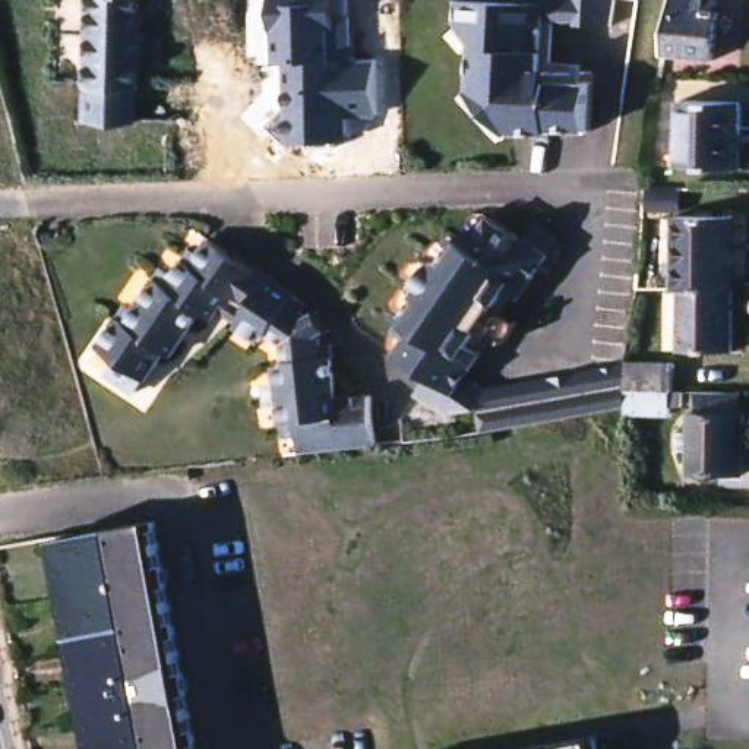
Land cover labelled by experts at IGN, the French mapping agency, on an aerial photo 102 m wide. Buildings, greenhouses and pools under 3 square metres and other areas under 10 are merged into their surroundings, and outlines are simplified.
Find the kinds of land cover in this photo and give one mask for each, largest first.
<instances>
[{"label":"herbaceous vegetation","instance_id":"1","mask_svg":"<svg viewBox=\"0 0 749 749\"><path fill-rule=\"evenodd\" d=\"M135 15L117 12L114 18H108L105 123L102 129H88L79 126V82L76 67L61 53V18H56V0H0V44L6 56V73L12 76L23 70V85L35 120L38 155L44 164L161 167V176L155 181H184L193 176L178 138V120H149L155 105L170 94L173 85L187 82L181 70L170 64V59L187 50V44L176 41L173 35L176 0H132ZM401 47L395 50V56L401 79L398 94L404 97L395 105L401 114L398 146L404 149L410 140H427L442 155V164L433 170L453 173L456 167H480L477 155L492 152L494 143H489L480 135V129L456 108L459 56L445 41L453 0H398ZM32 178L23 173L15 120L0 82V187H26ZM711 99H737L743 105V123H749V85H723L708 91ZM682 217H749V193L708 202L699 193L685 190L679 199ZM152 211H120L70 219L76 240L56 243L38 240L41 219L0 217V494L20 492L26 486L176 474L181 462L234 459L228 477L237 483L246 532L252 544V571L263 611L269 667L284 734L304 746L316 737L372 731L375 749H749V737L717 740L711 746L705 729H685L679 723L673 705L641 711L632 702V688L650 690L655 688V682H664V688H676L673 676H664V667L670 664V647L664 644V597L682 594L673 585V524L679 518L661 512L655 518H644L641 512L620 515L614 494L617 465L609 456L591 451L588 436L582 442H568V436L559 433L553 424H527L515 427L512 433L500 430L480 439L468 436L453 451L445 448V442L415 448L395 445L380 448L375 442L363 451L281 456L278 430L272 427L257 424V398H252V380L263 375L272 363L266 351L257 345L240 348L234 342L208 369H196L193 360L187 351L152 386L158 398L146 410H138L135 404L123 401L120 395H114L111 389H105L82 372L79 357L88 348L97 328L108 322V313H117L120 301V290L132 278V272L146 269H164L161 255L170 249V231L164 222H155L149 217ZM544 462L571 465L573 521L568 550H550V527H544L527 509V503L509 492V480L515 474L538 471ZM729 392V398H734V410L749 421V345L723 354L696 351V357H682L673 366L670 392ZM629 462H635V489L667 497L723 500L731 515L749 518V489H723L702 483L682 486L670 462V430L658 418H635L629 424ZM12 579L15 594L20 600L47 594L41 547L0 550V582ZM18 638L32 647L56 641L53 617L35 623L32 629H18ZM26 749H76L73 734H29L26 740Z\"/></svg>","mask_w":749,"mask_h":749},{"label":"building","instance_id":"2","mask_svg":"<svg viewBox=\"0 0 749 749\"><path fill-rule=\"evenodd\" d=\"M56 18H61V53L76 67L79 82V126L88 129H102L105 123L108 18H114L117 12L135 15L132 0H56ZM383 44L377 26V0H249L246 41V53L263 67L266 79L260 82V94L255 97L243 123L252 126V132L269 126L281 138V143L290 146V152L296 155H304L307 146H316L354 140L386 120L389 105L377 99V94L383 91V64L372 59L375 50ZM582 0H453L445 41L459 56L456 108L480 129V135L489 143H494L515 140L521 135H530L532 146L547 149L550 138H585L588 132L585 120L591 73L579 64L553 61V32L559 23L579 26ZM638 20L635 0H609L606 29L611 38H623V64H632V38ZM667 12L661 15V32L652 35L655 67H664L667 61H673V67L699 64L711 53L714 20L699 0H664ZM723 85L705 79L676 82L670 102L661 108V114L670 120L667 155L652 158L650 187H644V202L632 205V228L635 234L644 231V219L658 222V260L650 266L647 281L638 284V293H652L661 298V351L682 357H696V351L723 354L749 345V217H682L679 199L685 190L682 176L699 173L708 178H729L743 184L749 181V123H743V105L737 99H711L708 91ZM471 228H453L448 234L451 246L445 249L439 243L418 246L410 263L401 266L404 287L389 301L392 316L386 325V377L401 380L413 392L410 410L413 418L424 424H445L462 415L474 424L468 436L480 439L500 430L512 433L515 427L527 424H553L576 421L594 413H623L635 418H658L670 430V462L682 486L702 483L723 489H749V421L734 410V398H729V392H670L673 366L629 363L626 354L611 363L562 369L559 377L550 380H544L541 375L506 377L503 366L515 360L524 336L535 328L556 322L565 310V298L556 293V287L588 252V205H547L544 199H530L509 202L503 208L459 211ZM164 269H146L149 284L138 296V301H120L117 313H108V322L97 328L88 348L97 357H102L117 375L132 377L140 386H152L187 351L217 325L219 316L225 319L228 331L234 334V342L240 348L257 345L266 351L272 363L263 375L266 386L272 389V427L278 430L281 456L363 451L375 442L372 398L345 401L334 392L336 380L331 372V328H316L313 319L304 313L287 334H281L260 316H255L246 307V293L237 287L252 266L219 255L211 240H202V246L187 243L184 252L170 249L161 255ZM47 594L53 617L56 641L59 667L67 679V711L73 734L76 749H211L196 682L199 655L190 644L187 614L178 594L173 541L161 530L155 532V521H138L135 527L56 538V544L41 547Z\"/></svg>","mask_w":749,"mask_h":749},{"label":"impervious surface","instance_id":"3","mask_svg":"<svg viewBox=\"0 0 749 749\"><path fill-rule=\"evenodd\" d=\"M638 20L632 38V64H623V38H611L606 29L609 0H582L579 26L559 23L553 32V61L579 64L591 73L585 120L588 132L585 138H550L547 149L532 146L530 135H521L515 140V167H456L453 173L433 170H404L398 164V146L401 114L395 105L404 97L398 94L401 79L395 56V50L401 47L398 0H377V26L383 44L375 50L372 59L383 64V91L377 94V99L389 105L386 120L354 140L316 146L310 155L313 164H322V173L310 178H272L249 184L246 190H228L222 184L228 173L225 152L214 155L193 176L184 181H155L32 178L26 187H0V217L41 219H70L120 211H152L214 214L228 228L211 240L219 255L252 266L237 287L246 293V307L255 316H260L281 334H287L304 313L313 319L316 328H331V372L336 380L334 392L345 401L372 398L375 442L380 448L395 445V421L401 413L410 410L413 392L401 380L386 377V339L357 316V310L348 301H342V296L325 281V275H319L313 266H304L301 260L310 249H339V240L351 243L354 211L439 205L459 211L503 208L509 202L530 199H544L547 205H588V252L556 287V293L565 298V310L556 322L535 328L524 336L515 360L503 366L506 377L541 375L544 380H550L559 377L562 369L611 363L626 354L638 293V284L644 231L635 234L632 228V205L644 202V187L635 170L641 143L638 111L647 99L650 82L658 76L655 67L652 35L661 32V15L667 12L664 0H635ZM281 211L307 214V225L301 228V243L296 246V255L272 231L263 228L269 214ZM714 20L711 53L699 64L711 70L737 67V50L749 41V0H699ZM149 284L146 269L132 272V278L120 290V301H138V296ZM228 331L225 319L219 316L217 325L187 351L193 360ZM82 372L105 389H111L114 395H120L123 401L135 404L138 410H146L158 398L152 386H140L132 377L117 375L102 357H97L88 348L79 357ZM252 398H257V424L272 427V389L266 386L263 375L252 380ZM234 459L181 462L176 474L26 486L20 492L0 494V550L41 547L56 544V538L135 527L138 521H155V532L161 530L173 541L178 594L187 614L190 644L199 655L196 682L211 749H375L372 731L316 737L304 746L284 734L269 667L263 611L252 571V544L246 532L237 483L228 477ZM673 585L682 594L664 597V644L670 647V664L664 667V676H673L676 688H664V682H655V688L650 690L632 688V702L641 711L673 705L679 723L685 729H705L711 746L717 740L749 737V518L731 515L679 518L673 524ZM0 749H26V740L23 714L18 705V670L12 661V644L0 606Z\"/></svg>","mask_w":749,"mask_h":749},{"label":"brushwood","instance_id":"4","mask_svg":"<svg viewBox=\"0 0 749 749\"><path fill-rule=\"evenodd\" d=\"M249 0H176L173 35L176 41L187 44V50L170 59V64L181 70L187 82L199 79L193 53L196 44L234 47L246 41ZM737 67L711 70L699 64L673 67V61H667L664 67H655L658 76L650 82L647 99L638 111L641 143L635 170L644 187H650L652 158L667 155L670 120L661 114V108L670 102L676 82L705 79L723 85H749V41L737 50ZM0 82L15 120L23 173L32 178L155 181L161 176V167L44 164L38 155L35 120L23 85V70L12 76L6 73V56L0 44ZM398 164L404 170H433L442 164V155L427 140H410L404 149L398 146ZM480 167H515V140L494 143L492 152L477 155ZM685 190L699 193L708 202L749 193V181L743 184L729 178H708L699 173L682 176ZM453 228H471L459 211L439 205L354 211L351 243L339 240V249H310L301 260L304 266H313L319 275H325V281L342 296V301H348L357 310V316L386 339V325L392 316L389 301L404 287L401 266L410 263L418 246L439 243L445 249L451 246L448 234ZM149 217L155 222H164L170 231V249L184 252L187 243L202 246V240H211L228 228L214 214L152 211ZM307 225V214L281 211L269 214L263 228L272 231L296 255V246L301 243V228ZM38 240L56 243L76 240L70 219H41ZM658 222L644 219V231L638 284L647 281L650 266L658 260ZM629 363L673 366L682 357L661 351V298L652 293H638L626 354ZM234 334L228 331L193 360L196 369H208L234 342ZM474 424L462 415L445 424H424L413 418L410 410L401 413L395 421V445L415 448L445 442V448L453 451L468 436ZM635 418L623 413H594L576 421L553 424L559 433L568 436V442H582L588 436L591 451L609 456L617 465L614 494L620 515L641 512L644 518H655L661 512L679 518L731 515L723 500L667 497L635 489V462H629V424ZM509 492L527 503V509L544 527H550V550H568L573 521L571 465L544 462L538 471L515 474L509 480ZM0 606L12 644V661L18 670V705L23 714L26 740L29 734H73L67 711V679L59 667L56 641L32 647L18 638V629H32L35 623L53 617L47 594L20 600L15 594L12 579L0 582Z\"/></svg>","mask_w":749,"mask_h":749},{"label":"pervious surface","instance_id":"5","mask_svg":"<svg viewBox=\"0 0 749 749\"><path fill-rule=\"evenodd\" d=\"M193 53L199 79L187 82L173 85L170 94L155 105L149 120H178V138L193 176L214 155L225 152L228 173L222 184L228 190H246L249 184L272 178H310L322 173V164H313L310 155L316 146H307L304 155H296L290 152V146L281 143V138L269 126L252 132V126L243 123L255 97L260 94V82L266 79L263 67L246 53V41L234 47L196 44Z\"/></svg>","mask_w":749,"mask_h":749}]
</instances>
